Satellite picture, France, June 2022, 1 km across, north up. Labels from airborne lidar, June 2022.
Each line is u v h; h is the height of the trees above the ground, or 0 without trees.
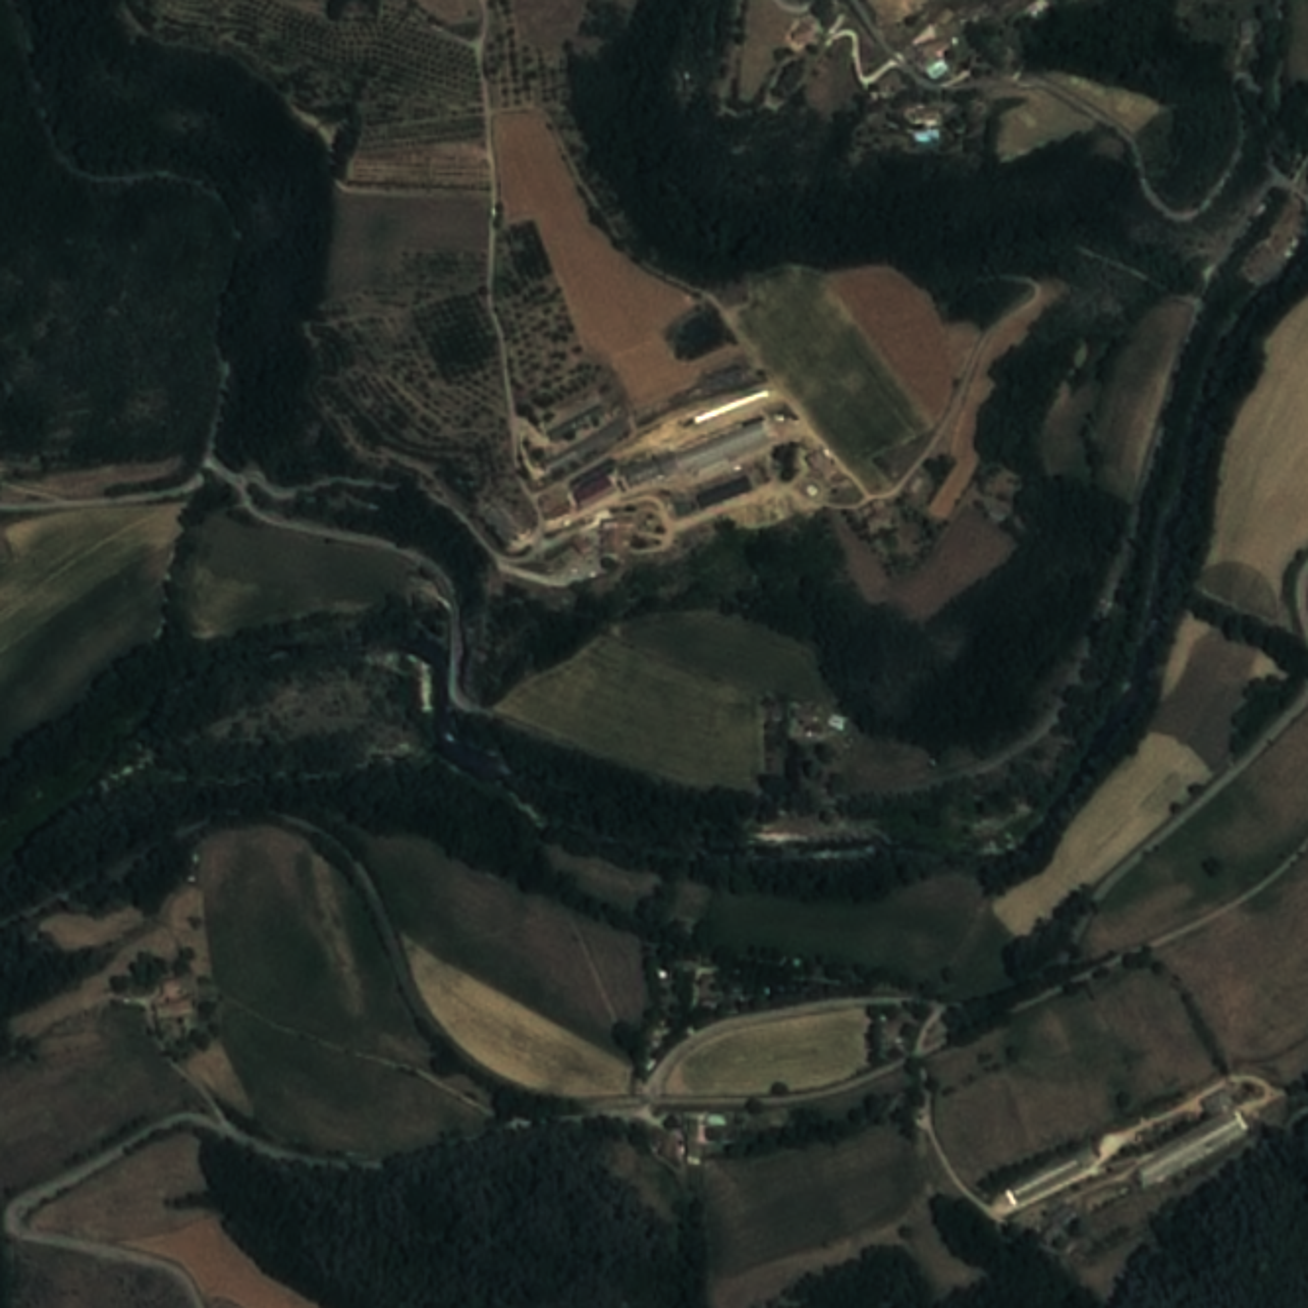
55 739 29
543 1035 0
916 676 8
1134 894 0
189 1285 0
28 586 0
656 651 0
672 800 19
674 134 11
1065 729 10
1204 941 0
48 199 17
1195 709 0
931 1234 0
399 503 8
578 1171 22
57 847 27
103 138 16
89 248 10
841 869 21
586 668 0
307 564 0
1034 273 11
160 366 8
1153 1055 0
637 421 0
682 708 0
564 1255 20
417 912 0
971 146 14
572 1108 13
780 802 17
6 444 7
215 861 0
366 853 8
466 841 25
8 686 0
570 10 0
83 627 0
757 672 0
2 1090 0
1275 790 0
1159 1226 16
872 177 6
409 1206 18
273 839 0
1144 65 21
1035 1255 25
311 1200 16
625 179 21
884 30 0
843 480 0
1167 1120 0
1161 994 0
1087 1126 0
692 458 0
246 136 13
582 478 0
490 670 7
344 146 11
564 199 0
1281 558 0
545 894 19
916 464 0
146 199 10
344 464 12
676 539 0
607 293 0
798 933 0
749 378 0
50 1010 0
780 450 14
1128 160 8
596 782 17
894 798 14
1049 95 0
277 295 6
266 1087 0
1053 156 11
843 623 6
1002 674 15
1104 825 0
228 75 9
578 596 6
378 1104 0
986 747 10
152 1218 0
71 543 0
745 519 0
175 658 23
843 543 0
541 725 0
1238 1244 16
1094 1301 11
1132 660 16
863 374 0
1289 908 0
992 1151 0
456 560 14
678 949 11
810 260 14
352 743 10
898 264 8
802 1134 16
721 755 0
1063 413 0
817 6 11
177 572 13
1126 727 18
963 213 12
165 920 0
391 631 9
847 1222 0
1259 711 9
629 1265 19
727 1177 0
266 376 24
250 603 0
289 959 0
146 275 9
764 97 7
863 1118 16
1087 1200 0
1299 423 0
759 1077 0
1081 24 8
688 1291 15
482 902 0
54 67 23
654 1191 0
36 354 11
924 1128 0
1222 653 0
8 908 9
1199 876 0
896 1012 11
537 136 0
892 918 0
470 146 0
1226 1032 0
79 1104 0
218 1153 13
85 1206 0
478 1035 0
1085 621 8
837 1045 0
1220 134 8
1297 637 15
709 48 10
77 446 10
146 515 0
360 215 0
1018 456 17
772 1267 0
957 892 0
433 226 0
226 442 16
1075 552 14
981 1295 8
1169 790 0
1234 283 7
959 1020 16
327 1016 0
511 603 9
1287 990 0
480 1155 21
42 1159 0
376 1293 24
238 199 14
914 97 10
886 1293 14
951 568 0
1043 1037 0
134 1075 0
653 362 0
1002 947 0
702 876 15
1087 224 21
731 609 14
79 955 7
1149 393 0
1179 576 19
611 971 0
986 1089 0
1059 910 13
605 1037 0
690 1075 0
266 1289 0
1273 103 19
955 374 0
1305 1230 20
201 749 15
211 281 9
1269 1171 14
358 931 0
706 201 14
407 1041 0
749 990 11
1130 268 10
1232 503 0
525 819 20
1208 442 19
